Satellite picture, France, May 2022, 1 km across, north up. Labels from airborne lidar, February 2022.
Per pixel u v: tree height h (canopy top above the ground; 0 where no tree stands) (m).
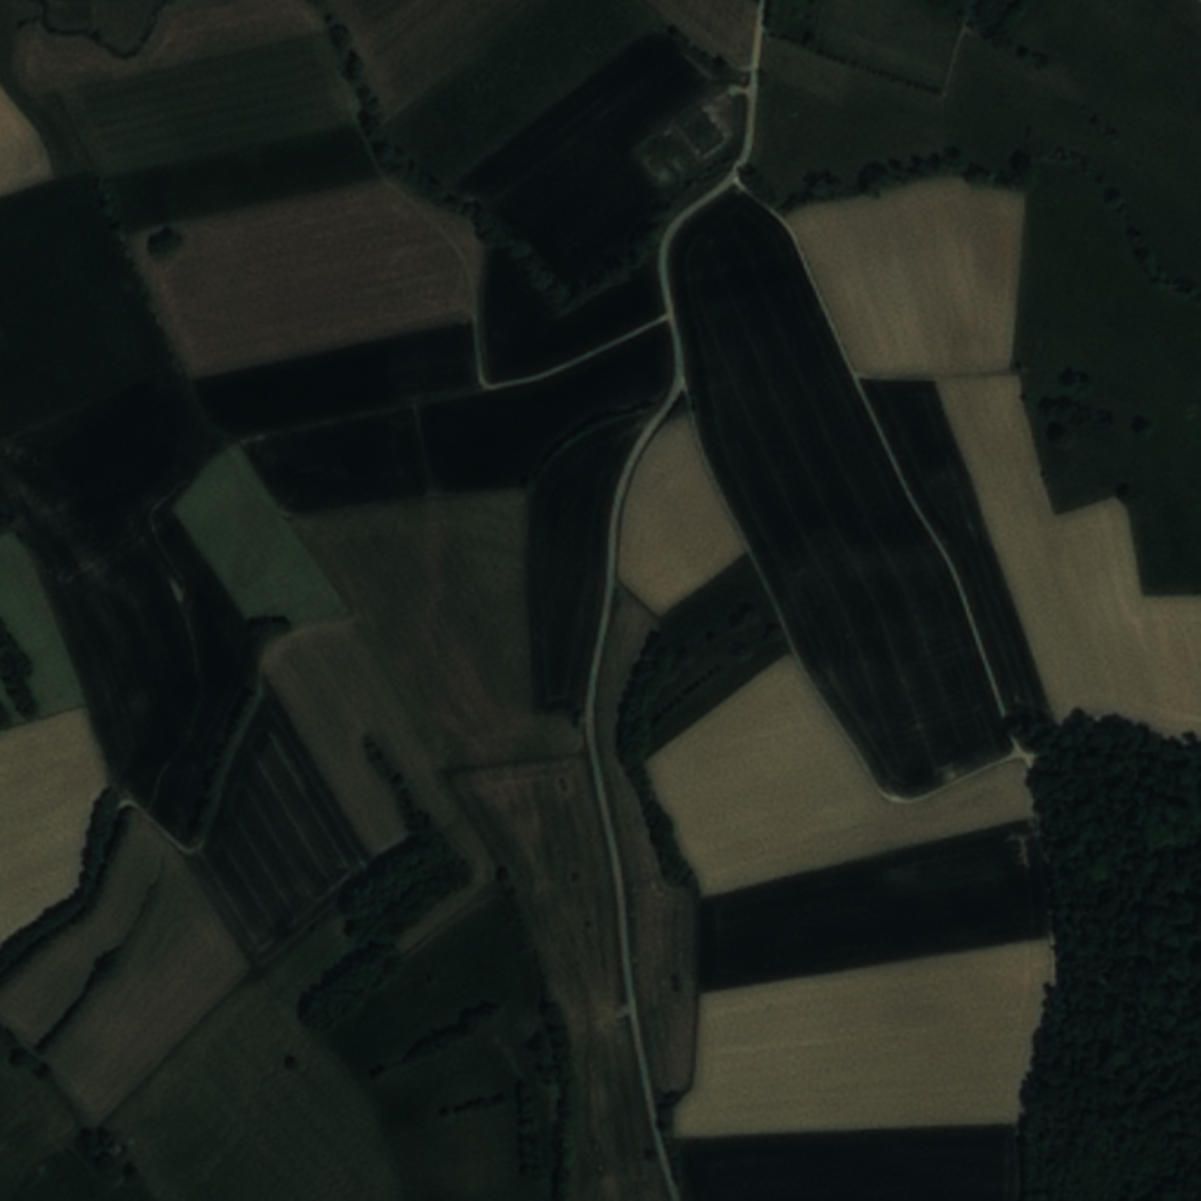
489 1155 0
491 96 0
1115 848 30
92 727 0
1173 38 0
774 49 0
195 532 0
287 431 0
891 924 0
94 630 0
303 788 0
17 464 0
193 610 0
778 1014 0
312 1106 0
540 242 0
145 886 0
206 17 0
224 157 0
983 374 0
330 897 0
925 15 0
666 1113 7
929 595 0
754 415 0
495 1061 0
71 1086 0
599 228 0
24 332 0
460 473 0
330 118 0
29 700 12
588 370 0
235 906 0
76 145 0
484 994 0
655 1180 0
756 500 0
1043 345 0
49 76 0
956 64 0
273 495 0
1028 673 0
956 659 0
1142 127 0
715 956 0
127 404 0
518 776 0
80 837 0
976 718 0
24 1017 0
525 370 0
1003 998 0
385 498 0
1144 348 0
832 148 0
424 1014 0
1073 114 0
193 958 0
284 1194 0
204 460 0
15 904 0
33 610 0
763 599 0
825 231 0
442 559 0
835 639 0
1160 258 0
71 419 0
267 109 0
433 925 0
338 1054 0
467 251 0
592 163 0
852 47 0
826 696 0
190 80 0
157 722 0
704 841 0
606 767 0
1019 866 0
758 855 0
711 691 0
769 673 0
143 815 0
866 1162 0
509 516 0
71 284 0
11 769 0
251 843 0
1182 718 0
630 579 0
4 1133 0
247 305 0
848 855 0
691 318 0
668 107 0
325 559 0
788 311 0
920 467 0
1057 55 0
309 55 0
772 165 0
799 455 0
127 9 0
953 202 0
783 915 0
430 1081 0
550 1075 12
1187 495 0
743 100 0
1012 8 10
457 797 0
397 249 0
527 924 0
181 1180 0
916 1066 0
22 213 0
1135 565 0
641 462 0
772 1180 0
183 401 0
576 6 0
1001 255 0
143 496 0
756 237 0
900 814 0
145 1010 0
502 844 0
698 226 0
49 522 0
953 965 0
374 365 0
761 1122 0
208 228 0
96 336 0
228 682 0
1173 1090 21
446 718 0
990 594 0
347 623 0
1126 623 0
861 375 0
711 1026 0
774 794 0
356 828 0
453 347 0
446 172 0
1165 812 26
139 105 0
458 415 0
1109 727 17
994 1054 0
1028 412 0
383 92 0
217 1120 0
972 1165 0
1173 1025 22
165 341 0
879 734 0
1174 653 0
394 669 0
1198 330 0
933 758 0
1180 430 0
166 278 0
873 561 0
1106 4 0
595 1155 0
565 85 0
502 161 0
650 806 11
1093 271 0
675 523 0
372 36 0
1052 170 0
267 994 0
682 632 0
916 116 0
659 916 0
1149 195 0
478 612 0
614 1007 0
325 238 0
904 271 0
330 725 0
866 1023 0
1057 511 0
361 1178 0
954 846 0
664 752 0
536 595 0
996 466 0
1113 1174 9
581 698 0
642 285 0
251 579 0
